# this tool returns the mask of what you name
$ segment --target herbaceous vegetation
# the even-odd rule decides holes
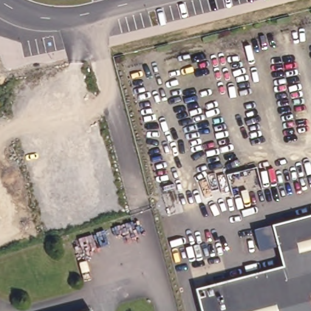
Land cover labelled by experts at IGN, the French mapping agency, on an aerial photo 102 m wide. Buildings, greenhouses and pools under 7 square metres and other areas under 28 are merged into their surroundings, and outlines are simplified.
[[[61,238],[63,254],[60,259],[51,259],[46,254],[44,243],[0,254],[0,299],[10,298],[11,290],[19,288],[35,294],[41,301],[75,293],[84,287],[83,273],[75,258],[74,239],[69,234]]]
[[[299,23],[301,18],[311,16],[311,0],[294,0],[288,2],[292,10],[273,16],[277,19],[275,26],[290,22]]]
[[[115,311],[155,311],[152,302],[137,299],[123,302]]]
[[[180,29],[112,46],[111,57],[112,60],[119,63],[147,55],[149,52],[169,51],[175,46],[200,43],[207,36],[217,34],[237,29],[237,24],[190,35],[183,35]]]

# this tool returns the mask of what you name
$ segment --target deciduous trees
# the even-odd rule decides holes
[[[51,259],[60,259],[63,254],[61,238],[52,234],[50,230],[47,231],[44,243],[46,254]]]
[[[0,311],[29,311],[35,302],[41,301],[35,294],[19,288],[11,290],[10,298],[0,299]]]

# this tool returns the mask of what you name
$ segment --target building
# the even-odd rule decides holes
[[[198,287],[196,292],[200,311],[311,311],[311,214],[256,228],[258,243],[255,244],[255,248],[278,248],[282,265]]]

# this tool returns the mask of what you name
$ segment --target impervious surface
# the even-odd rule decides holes
[[[21,43],[24,56],[66,50],[69,63],[87,61],[90,64],[111,57],[112,46],[180,29],[288,2],[294,0],[0,0],[0,36]]]
[[[275,26],[251,29],[247,33],[236,34],[230,38],[219,39],[217,34],[207,36],[200,43],[175,46],[169,51],[149,52],[147,55],[119,63],[112,60],[119,95],[112,107],[104,109],[98,125],[111,162],[114,185],[117,188],[118,211],[128,211],[128,219],[136,217],[136,222],[74,239],[75,258],[83,273],[84,287],[75,293],[41,301],[35,302],[29,311],[115,311],[123,302],[137,299],[152,302],[155,311],[200,311],[196,292],[198,287],[282,265],[278,248],[255,248],[255,244],[258,243],[256,228],[311,214],[311,16],[301,18],[299,23],[290,22]]]

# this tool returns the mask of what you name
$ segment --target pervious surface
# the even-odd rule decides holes
[[[180,29],[183,35],[190,35],[237,24],[256,22],[258,19],[273,16],[292,10],[288,2]]]
[[[117,188],[114,185],[111,162],[98,125],[104,109],[112,107],[119,95],[112,60],[111,57],[90,64],[87,61],[69,63],[66,50],[24,56],[21,43],[0,36],[0,84],[10,77],[19,79],[13,90],[15,101],[12,104],[12,118],[0,117],[0,245],[36,236],[43,230],[47,231],[50,230],[80,225],[106,211],[118,211]]]

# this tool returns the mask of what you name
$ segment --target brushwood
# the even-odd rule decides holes
[[[273,16],[258,19],[256,22],[237,24],[237,29],[217,34],[219,39],[230,38],[236,34],[247,33],[251,29],[275,26],[277,19]]]
[[[13,90],[19,79],[10,77],[0,84],[0,117],[12,118],[12,104],[15,101]]]
[[[69,234],[74,239],[136,222],[136,217],[128,219],[128,211],[118,211],[106,211],[80,225],[50,230],[52,234],[61,238]]]
[[[43,230],[36,236],[0,245],[0,254],[44,243],[47,231]]]

